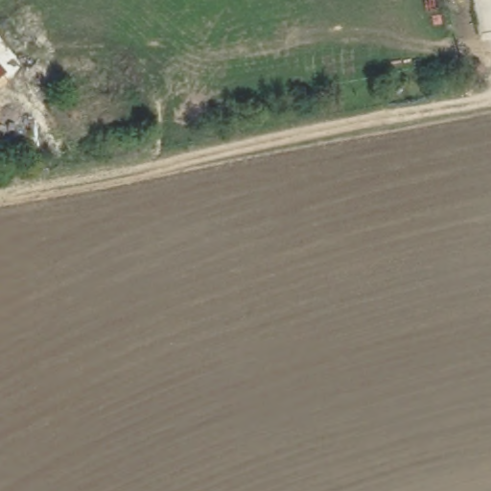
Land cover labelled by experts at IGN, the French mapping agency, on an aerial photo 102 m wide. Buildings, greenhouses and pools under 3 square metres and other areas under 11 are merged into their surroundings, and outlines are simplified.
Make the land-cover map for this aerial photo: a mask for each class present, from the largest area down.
<instances>
[{"label":"plowed land","instance_id":"1","mask_svg":"<svg viewBox=\"0 0 491 491\"><path fill-rule=\"evenodd\" d=\"M232 163L188 171H178L175 175L155 176L148 180H138L132 184L113 186L104 190L0 205V491H491V115H474L468 119H456L424 129L389 132L384 136L351 138L345 142H326L320 146L311 144L290 152L269 155H251L249 152L232 155Z\"/></svg>","mask_w":491,"mask_h":491},{"label":"agricultural land","instance_id":"2","mask_svg":"<svg viewBox=\"0 0 491 491\"><path fill-rule=\"evenodd\" d=\"M27 2L33 8V12L40 15L46 38L54 44V59L46 75L40 77V92L42 94L52 84L61 81L71 82L81 94L77 105L67 111L58 109L56 105H44V119L48 123V129L61 140V148L52 152L42 155L44 171L36 180L86 175L100 165L92 163L82 153L81 148L77 146L79 138L86 134L92 123H111L115 119L129 117L132 107L136 105L152 107L157 117L155 125L161 127L163 138L134 152L121 150V146H117L111 153L113 159L107 165L123 167L138 165L144 161H159L175 153L217 146L230 140H242L247 136L305 125L295 113L270 115L265 107H261L259 115L249 121H238L232 117L230 125L222 123L215 129L192 130L186 127L184 113L194 105L215 100L217 96H221L224 88L255 90L261 79H265L269 84L274 79L307 82L315 77L316 73L339 75V102L326 105L316 115L318 123L370 113L376 109L432 102V92H422L416 82H403L397 90L387 88L380 98H376L368 94L366 81L376 82L380 75H387L391 71L393 65H410L418 56L435 54L441 48H453L460 54L468 52V48L460 46L458 38H455V31H449V23H453V13L449 8L451 0H0V25L2 21L21 12V8ZM487 90V79L478 71L470 77L468 92Z\"/></svg>","mask_w":491,"mask_h":491},{"label":"deciduous trees","instance_id":"3","mask_svg":"<svg viewBox=\"0 0 491 491\"><path fill-rule=\"evenodd\" d=\"M479 58L468 52L460 54L453 48H441L435 54L418 56L410 65H393L391 71L387 75H380L376 82L366 81L368 94L376 98H380L387 88L397 90L403 82H416L422 92H432V102L460 98L468 92L470 77L478 71ZM339 75L316 73L315 77L307 82L274 79L269 84L265 79H261L255 90L224 88L221 96H217L215 100L194 105L184 113L186 127L192 130L215 129L222 123L230 125L232 117L238 121H249L259 115L261 107H265L270 115L295 113L305 125L318 123L316 115L326 105L339 102ZM81 94L71 82L61 81L52 84L42 94L44 105H56L58 109L67 111L77 105ZM157 117L152 107L136 105L132 107L129 117L115 119L111 123H92L86 134L79 138L77 146L81 148L82 153L92 163L100 165H107L113 159L111 153L117 146H121V150L134 152L163 138L161 127L155 125ZM52 152L48 144L35 146L31 138H25L17 132H0V188L13 184L15 178L36 180L44 171L42 155Z\"/></svg>","mask_w":491,"mask_h":491},{"label":"pervious surface","instance_id":"4","mask_svg":"<svg viewBox=\"0 0 491 491\"><path fill-rule=\"evenodd\" d=\"M449 8L453 13V23H449V31H455V38H458L460 46L468 48V52L479 58L478 71L487 79V90L468 92L460 98L432 102L376 109L370 113L318 123L305 125L247 136L242 140H230L217 146L175 153L159 161H144L138 165L123 167L107 165H100L86 175L36 180L15 178L13 184L0 188V205L104 190L113 186L132 184L138 180H148L155 176L175 175L178 171H188L192 165L232 155L249 152L347 130L403 123L422 117L470 111L491 105V0H451ZM10 77L6 71L0 75V132H17L25 138H31L35 146L48 144L52 152L61 148V140L48 129V123L44 119V105L42 94L40 92L35 100L29 102L23 94L8 88Z\"/></svg>","mask_w":491,"mask_h":491},{"label":"herbaceous vegetation","instance_id":"5","mask_svg":"<svg viewBox=\"0 0 491 491\"><path fill-rule=\"evenodd\" d=\"M0 40L21 63L15 75L10 77L8 88L23 94L29 102L35 100L40 92V77L46 75L54 59V44L46 38L40 15L33 12V8L27 2L21 8V12L2 21L0 25ZM474 115H491V105L470 111L422 117L403 123L347 130L249 152L251 155H269L290 152L311 144L320 146L326 142H345L351 138L384 136L389 132L424 129L456 119H468ZM232 155L192 165L188 171L232 163Z\"/></svg>","mask_w":491,"mask_h":491},{"label":"impervious surface","instance_id":"6","mask_svg":"<svg viewBox=\"0 0 491 491\"><path fill-rule=\"evenodd\" d=\"M21 63L0 40V75L6 71L10 77L15 75Z\"/></svg>","mask_w":491,"mask_h":491}]
</instances>
